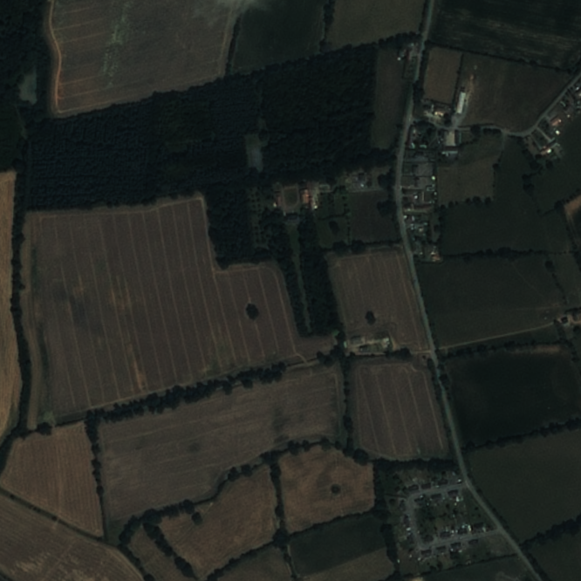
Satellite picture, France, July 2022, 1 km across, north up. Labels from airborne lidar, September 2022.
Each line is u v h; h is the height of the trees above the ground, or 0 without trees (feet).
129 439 0
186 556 0
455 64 0
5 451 37
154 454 0
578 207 0
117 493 0
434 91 0
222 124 54
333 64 58
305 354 0
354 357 38
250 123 52
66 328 0
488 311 0
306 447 48
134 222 0
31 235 0
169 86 0
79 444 0
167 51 0
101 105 0
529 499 0
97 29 0
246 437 0
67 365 0
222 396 0
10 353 0
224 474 0
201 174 51
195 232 0
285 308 0
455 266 0
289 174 70
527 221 0
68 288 0
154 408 47
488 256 48
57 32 0
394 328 0
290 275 42
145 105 47
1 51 67
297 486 0
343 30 0
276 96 52
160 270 0
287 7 0
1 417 0
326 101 49
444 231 28
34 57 33
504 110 0
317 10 0
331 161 69
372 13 0
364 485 0
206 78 0
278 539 60
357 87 56
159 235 0
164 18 0
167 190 51
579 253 46
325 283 54
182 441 0
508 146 0
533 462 0
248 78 20
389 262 0
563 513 0
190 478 0
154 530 66
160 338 0
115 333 0
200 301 0
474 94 0
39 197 67
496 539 0
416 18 0
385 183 50
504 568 0
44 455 0
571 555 0
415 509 0
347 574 0
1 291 0
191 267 0
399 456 0
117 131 61
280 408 0
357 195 0
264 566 0
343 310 0
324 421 0
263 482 0
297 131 74
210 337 0
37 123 51
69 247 0
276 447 0
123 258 0
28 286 0
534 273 0
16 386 0
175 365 0
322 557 0
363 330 0
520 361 0
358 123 68
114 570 0
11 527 0
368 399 0
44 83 35
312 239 83
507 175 0
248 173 31
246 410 0
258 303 0
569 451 0
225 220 47
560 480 0
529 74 0
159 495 0
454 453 29
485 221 0
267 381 52
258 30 0
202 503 22
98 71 0
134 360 0
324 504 0
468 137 0
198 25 0
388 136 0
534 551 0
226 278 0
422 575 19
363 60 55
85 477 0
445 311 0
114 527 0
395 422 0
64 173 66
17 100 22
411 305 0
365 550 0
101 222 0
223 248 52
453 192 0
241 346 0
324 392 0
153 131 36
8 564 0
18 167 72
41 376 0
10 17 38
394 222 22
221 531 0
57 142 65
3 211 0
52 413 0
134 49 0
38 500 0
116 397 0
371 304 0
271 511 0
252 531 0
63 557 0
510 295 0
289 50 0
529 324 0
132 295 0
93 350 0
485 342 0
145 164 56
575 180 0
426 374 0
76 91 0
